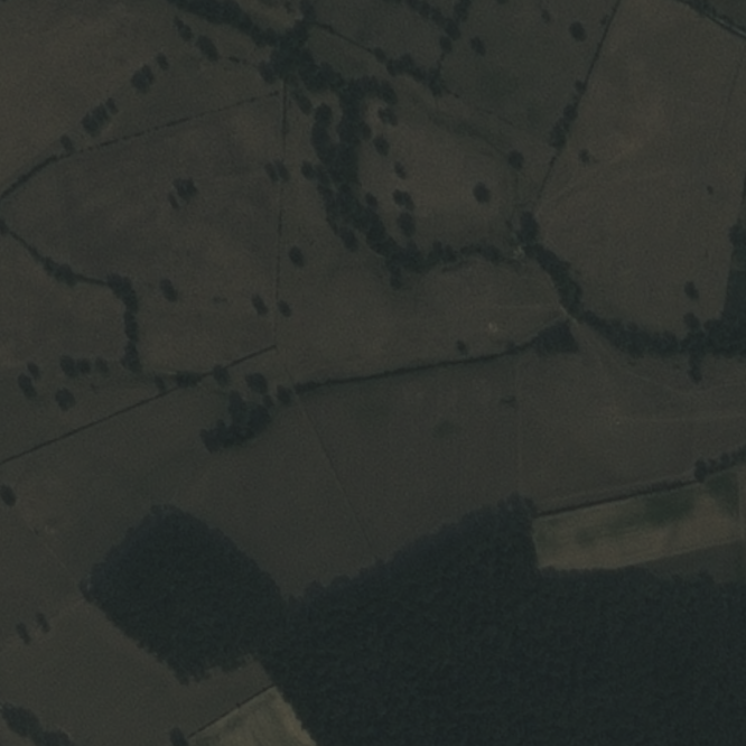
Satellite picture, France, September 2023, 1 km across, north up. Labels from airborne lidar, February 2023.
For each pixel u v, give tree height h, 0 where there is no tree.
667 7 0
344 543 0
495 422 0
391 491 0
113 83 0
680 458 0
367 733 9
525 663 14
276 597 22
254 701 0
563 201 0
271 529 0
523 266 0
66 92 0
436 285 0
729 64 0
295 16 0
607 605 24
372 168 0
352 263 0
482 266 0
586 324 7
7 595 0
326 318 0
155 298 0
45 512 0
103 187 0
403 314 0
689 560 0
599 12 0
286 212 0
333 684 16
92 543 0
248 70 0
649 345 19
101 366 16
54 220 0
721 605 19
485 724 25
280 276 0
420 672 13
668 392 0
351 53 0
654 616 22
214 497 0
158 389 11
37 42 0
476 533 24
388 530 0
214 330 0
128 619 23
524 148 0
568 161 0
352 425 0
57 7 0
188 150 0
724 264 0
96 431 0
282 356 0
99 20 0
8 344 0
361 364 0
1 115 0
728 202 0
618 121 0
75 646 0
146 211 0
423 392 0
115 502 0
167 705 0
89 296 0
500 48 0
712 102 0
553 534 0
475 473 0
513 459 0
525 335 0
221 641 22
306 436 0
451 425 0
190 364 0
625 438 0
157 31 0
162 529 24
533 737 10
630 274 0
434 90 18
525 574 19
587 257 0
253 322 0
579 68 0
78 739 0
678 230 0
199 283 0
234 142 0
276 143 0
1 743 0
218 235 0
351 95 20
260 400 0
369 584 19
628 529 0
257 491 0
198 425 0
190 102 0
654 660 25
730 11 0
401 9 0
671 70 0
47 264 8
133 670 0
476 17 0
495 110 0
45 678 0
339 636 23
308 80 22
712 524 0
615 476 0
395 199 11
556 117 0
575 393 0
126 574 26
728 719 20
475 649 13
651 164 0
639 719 25
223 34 0
